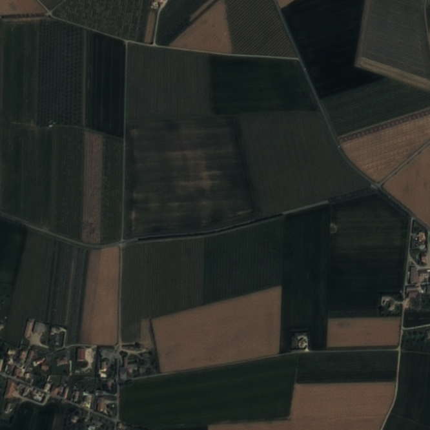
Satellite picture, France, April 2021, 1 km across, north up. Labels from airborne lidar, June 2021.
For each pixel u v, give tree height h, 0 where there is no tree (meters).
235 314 0
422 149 0
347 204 0
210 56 0
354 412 0
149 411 0
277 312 0
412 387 0
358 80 0
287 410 0
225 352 0
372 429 0
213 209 0
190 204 0
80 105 6
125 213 0
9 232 0
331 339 0
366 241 0
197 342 0
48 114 6
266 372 0
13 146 0
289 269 0
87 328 0
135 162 0
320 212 0
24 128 0
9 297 0
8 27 0
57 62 6
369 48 0
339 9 0
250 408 0
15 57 0
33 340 0
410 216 8
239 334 0
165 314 0
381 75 0
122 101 0
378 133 0
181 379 0
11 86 0
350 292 0
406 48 0
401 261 0
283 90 0
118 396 0
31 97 0
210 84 0
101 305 0
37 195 0
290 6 0
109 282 0
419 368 0
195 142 0
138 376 7
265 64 0
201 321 0
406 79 0
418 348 0
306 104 0
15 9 0
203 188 0
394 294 8
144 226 0
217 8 0
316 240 0
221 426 0
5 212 0
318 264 0
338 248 0
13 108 0
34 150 0
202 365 0
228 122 0
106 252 0
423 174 0
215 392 0
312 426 0
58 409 0
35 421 0
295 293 0
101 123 0
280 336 0
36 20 0
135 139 0
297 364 0
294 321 0
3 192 0
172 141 0
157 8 0
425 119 0
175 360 0
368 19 0
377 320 0
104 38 0
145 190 0
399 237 0
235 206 0
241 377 0
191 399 0
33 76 0
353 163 0
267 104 0
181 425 0
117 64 0
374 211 0
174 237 9
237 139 0
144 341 0
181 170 0
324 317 0
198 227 0
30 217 0
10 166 0
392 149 0
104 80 0
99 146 0
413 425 0
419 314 0
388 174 0
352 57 0
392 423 0
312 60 0
